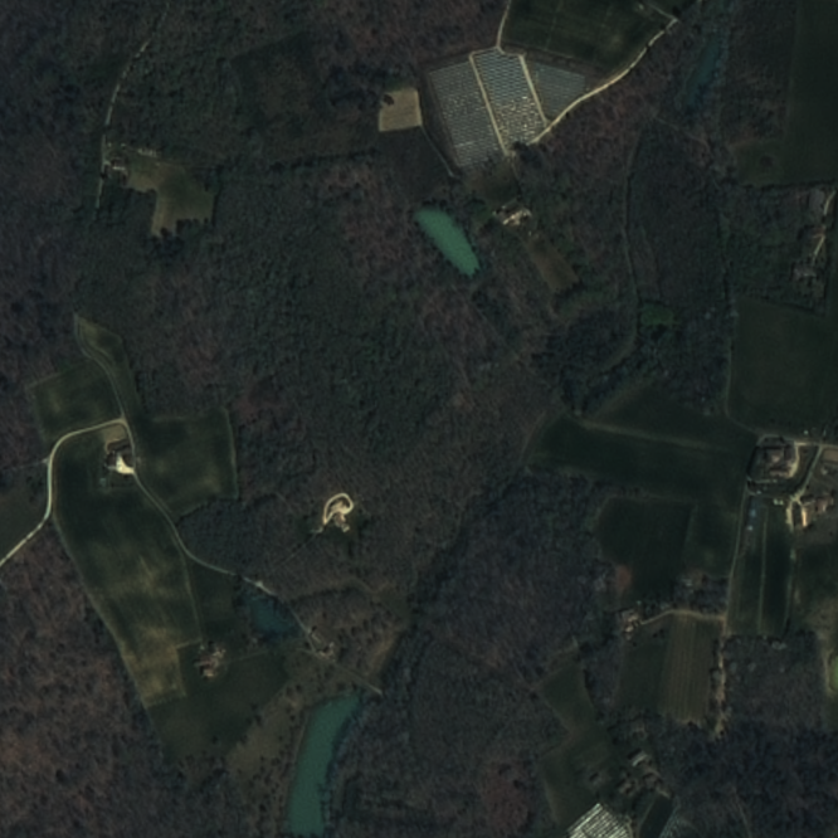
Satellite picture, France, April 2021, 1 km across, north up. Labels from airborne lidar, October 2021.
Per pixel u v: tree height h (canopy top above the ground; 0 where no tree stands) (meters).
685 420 0
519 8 0
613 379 12
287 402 11
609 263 14
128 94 8
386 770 19
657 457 0
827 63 0
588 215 14
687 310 13
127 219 12
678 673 0
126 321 17
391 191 16
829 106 0
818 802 20
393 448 15
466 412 15
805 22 0
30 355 19
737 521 0
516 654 18
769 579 0
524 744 14
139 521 0
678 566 0
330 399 17
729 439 0
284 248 14
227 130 11
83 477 0
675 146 12
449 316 14
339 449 15
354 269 15
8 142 24
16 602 13
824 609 0
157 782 21
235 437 6
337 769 13
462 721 16
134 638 0
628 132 15
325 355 14
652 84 15
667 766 15
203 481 0
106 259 15
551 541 24
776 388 0
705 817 28
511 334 18
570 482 12
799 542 0
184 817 16
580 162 12
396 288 14
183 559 0
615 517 0
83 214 10
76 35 11
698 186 9
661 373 20
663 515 0
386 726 17
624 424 0
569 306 23
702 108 16
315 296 17
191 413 16
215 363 11
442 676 17
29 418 15
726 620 0
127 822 16
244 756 0
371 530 12
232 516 9
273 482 10
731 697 12
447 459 14
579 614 17
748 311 0
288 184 23
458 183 7
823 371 0
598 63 0
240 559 9
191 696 0
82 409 0
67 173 14
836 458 0
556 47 0
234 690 0
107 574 0
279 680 0
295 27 18
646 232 12
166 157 15
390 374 14
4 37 17
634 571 0
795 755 19
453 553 12
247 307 13
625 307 17
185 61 7
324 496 15
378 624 15
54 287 15
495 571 20
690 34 20
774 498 0
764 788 26
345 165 11
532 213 23
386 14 10
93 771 21
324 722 0
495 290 14
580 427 0
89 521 0
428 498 13
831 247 8
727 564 0
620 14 0
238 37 11
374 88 25
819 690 19
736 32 9
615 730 7
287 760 11
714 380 20
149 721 10
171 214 0
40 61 14
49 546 14
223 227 15
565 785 0
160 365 17
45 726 19
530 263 20
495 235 28
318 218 16
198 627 0
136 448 0
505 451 13
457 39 16
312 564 15
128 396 0
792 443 0
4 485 19
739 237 10
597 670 18
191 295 15
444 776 16
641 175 11
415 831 14
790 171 0
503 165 18
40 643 22
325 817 12
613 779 0
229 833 20
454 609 18
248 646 12
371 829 14
